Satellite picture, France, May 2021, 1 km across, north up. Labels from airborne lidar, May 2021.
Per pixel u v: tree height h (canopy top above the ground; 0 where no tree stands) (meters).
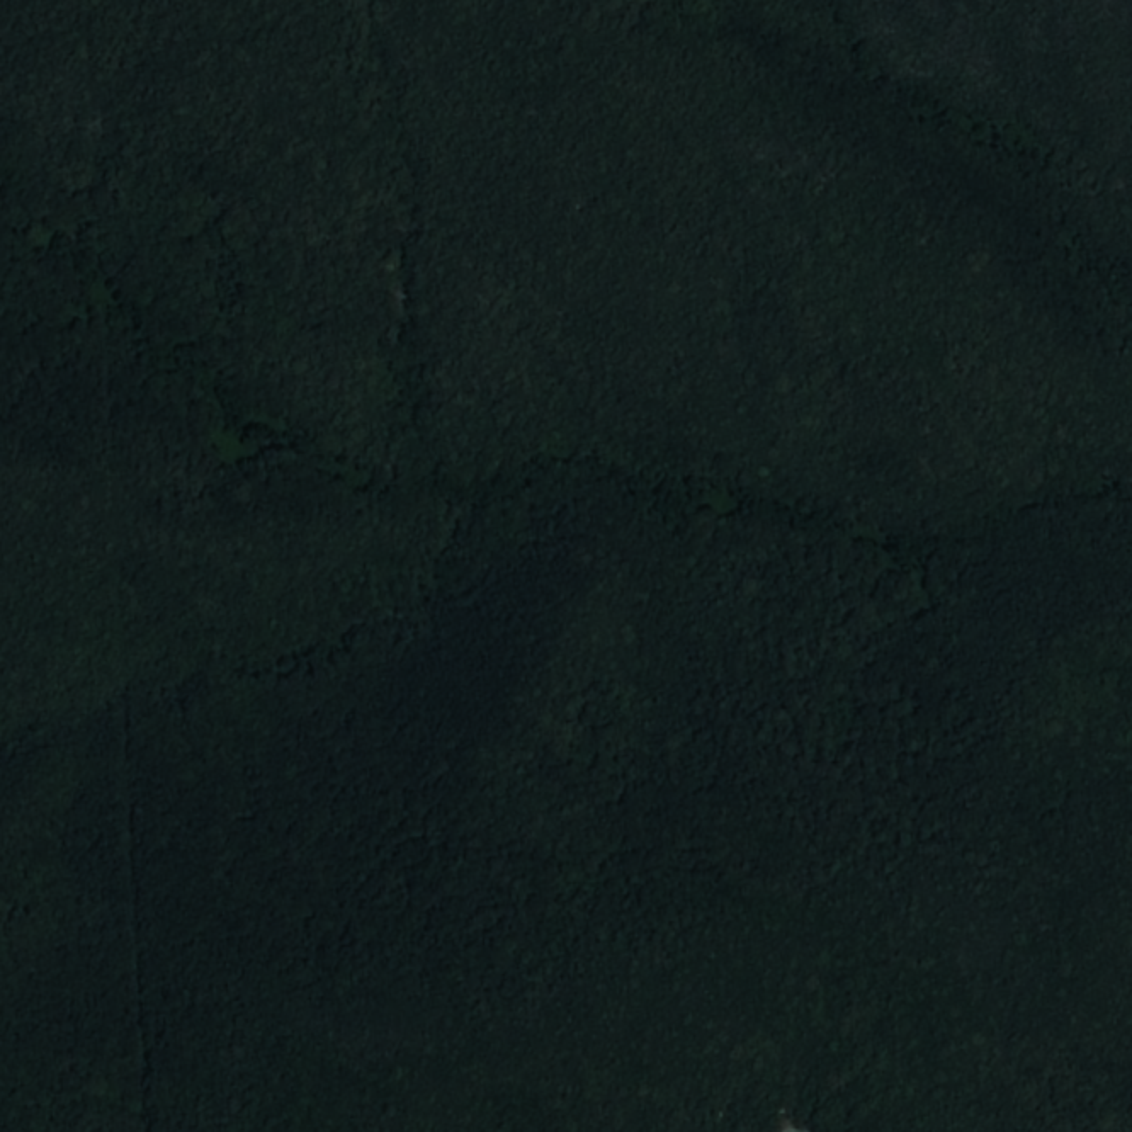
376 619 15
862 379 12
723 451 8
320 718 17
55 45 8
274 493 15
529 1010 7
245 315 10
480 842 11
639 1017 7
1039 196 18
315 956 13
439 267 11
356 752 15
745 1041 10
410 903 13
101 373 13
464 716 10
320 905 17
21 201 14
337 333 9
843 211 9
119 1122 18
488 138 10
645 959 7
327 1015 7
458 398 16
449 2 10
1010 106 11
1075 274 14
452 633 14
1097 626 10
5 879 16
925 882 6
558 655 9
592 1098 10
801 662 12
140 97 9
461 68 7
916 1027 8
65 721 9
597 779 12
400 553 11
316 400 14
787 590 14
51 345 14
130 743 12
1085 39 6
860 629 14
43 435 8
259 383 9
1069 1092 9
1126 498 14
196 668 16
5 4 6
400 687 13
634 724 13
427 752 12
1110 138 6
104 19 12
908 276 8
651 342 8
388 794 15
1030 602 9
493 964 10
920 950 7
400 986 7
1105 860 7
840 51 20
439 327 7
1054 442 13
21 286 12
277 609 9
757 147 8
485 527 14
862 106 16
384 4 11
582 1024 6
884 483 7
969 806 10
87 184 15
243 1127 8
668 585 19
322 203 11
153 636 13
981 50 6
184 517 14
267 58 8
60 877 19
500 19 7
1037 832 8
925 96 24
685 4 16
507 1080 6
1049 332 11
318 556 10
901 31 5
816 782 14
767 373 11
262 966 12
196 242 14
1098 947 7
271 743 15
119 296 17
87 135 6
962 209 13
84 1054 17
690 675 10
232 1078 7
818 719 10
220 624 7
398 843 11
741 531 15
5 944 17
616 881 10
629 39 10
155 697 15
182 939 11
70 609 7
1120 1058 9
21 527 9
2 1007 23
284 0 6
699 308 6
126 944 13
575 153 8
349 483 23
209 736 17
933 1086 7
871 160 10
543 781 10
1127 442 6
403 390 20
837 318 7
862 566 18
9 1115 20
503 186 9
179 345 11
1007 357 10
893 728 9
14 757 14
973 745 9
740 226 10
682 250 7
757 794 12
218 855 18
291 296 9
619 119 8
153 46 12
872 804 12
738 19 16
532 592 12
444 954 12
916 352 10
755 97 10
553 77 6
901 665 16
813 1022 10
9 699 11
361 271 10
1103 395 5
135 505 8
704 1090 10
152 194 10
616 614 8
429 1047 8
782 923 8
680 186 6
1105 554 13
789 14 11
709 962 8
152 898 11
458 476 20
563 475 12
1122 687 12
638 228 6
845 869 7
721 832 11
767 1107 8
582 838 8
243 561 7
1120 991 8
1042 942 9
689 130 7
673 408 9
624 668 8
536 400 11
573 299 7
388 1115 12
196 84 6
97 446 9
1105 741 7
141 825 14
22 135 8
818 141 11
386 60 10
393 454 13
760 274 12
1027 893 7
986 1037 8
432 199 10
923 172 15
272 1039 8
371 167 13
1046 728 10
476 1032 8
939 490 10
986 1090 7
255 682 20
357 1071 9
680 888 9
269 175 7
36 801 10
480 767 8
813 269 9
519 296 7
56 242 15
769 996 8
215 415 15
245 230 11
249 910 16
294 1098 9
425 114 8
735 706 6
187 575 10
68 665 6
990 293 7
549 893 11
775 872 8
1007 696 10
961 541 13
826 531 22
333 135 9
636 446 13
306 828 18
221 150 12
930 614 17
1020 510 9
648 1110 10
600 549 12
